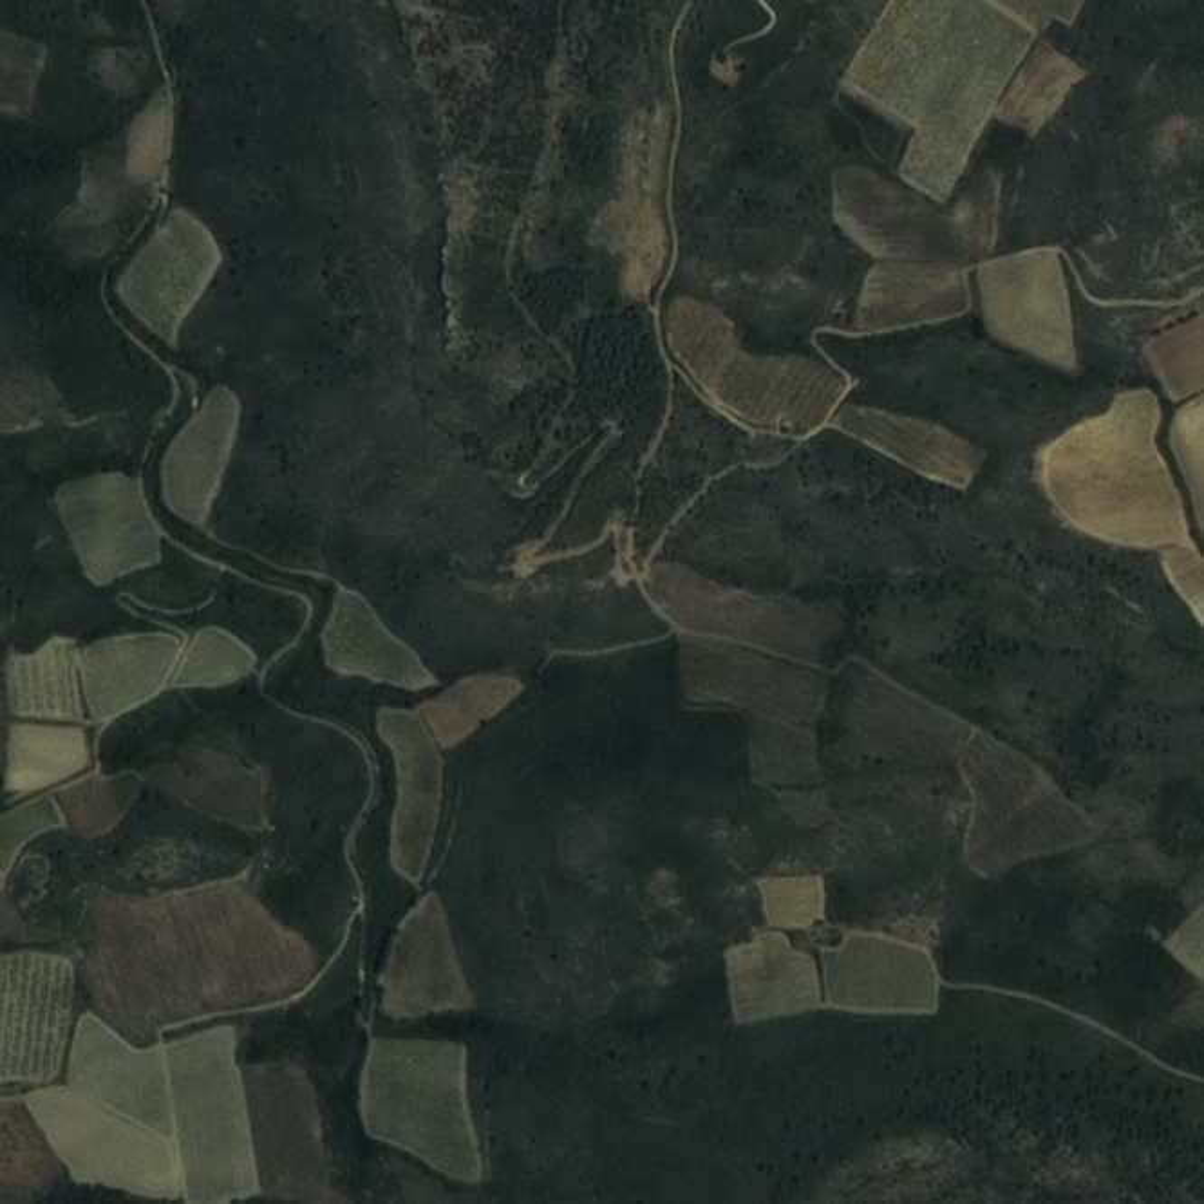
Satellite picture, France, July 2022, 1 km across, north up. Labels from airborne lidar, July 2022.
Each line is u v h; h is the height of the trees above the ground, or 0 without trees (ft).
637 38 20
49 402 0
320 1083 22
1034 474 0
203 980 0
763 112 0
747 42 0
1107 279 0
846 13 0
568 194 0
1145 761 0
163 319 0
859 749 0
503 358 0
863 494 18
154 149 0
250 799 0
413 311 0
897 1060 26
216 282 20
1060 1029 0
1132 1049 0
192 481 0
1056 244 0
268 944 0
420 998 0
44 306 35
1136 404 0
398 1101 0
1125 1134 30
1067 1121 23
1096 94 0
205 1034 0
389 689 18
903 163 0
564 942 0
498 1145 27
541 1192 20
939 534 0
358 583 31
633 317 40
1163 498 0
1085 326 0
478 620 0
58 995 0
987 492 0
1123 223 0
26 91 0
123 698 0
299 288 0
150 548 0
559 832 0
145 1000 0
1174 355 0
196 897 0
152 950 0
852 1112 0
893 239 0
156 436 19
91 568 0
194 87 30
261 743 24
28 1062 0
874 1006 0
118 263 26
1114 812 0
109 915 0
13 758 0
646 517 20
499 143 21
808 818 0
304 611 0
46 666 0
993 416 0
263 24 0
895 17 0
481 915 0
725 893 0
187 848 0
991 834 0
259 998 0
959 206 0
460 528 0
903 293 0
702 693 0
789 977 0
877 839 0
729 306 0
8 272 32
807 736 0
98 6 31
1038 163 0
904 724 0
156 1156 0
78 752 0
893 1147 0
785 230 0
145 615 20
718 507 21
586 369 46
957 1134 28
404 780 0
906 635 0
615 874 0
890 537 0
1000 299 0
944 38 0
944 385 0
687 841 0
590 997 0
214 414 0
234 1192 0
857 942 0
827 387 0
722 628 0
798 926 0
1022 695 0
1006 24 0
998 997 0
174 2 0
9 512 20
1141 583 23
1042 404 0
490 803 0
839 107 0
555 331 29
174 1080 0
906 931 0
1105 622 0
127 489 0
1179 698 0
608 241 0
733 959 0
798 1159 27
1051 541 0
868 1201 0
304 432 0
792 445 0
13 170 26
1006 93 0
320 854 21
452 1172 0
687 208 18
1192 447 0
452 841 0
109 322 29
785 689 0
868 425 0
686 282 0
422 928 0
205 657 0
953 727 0
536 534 21
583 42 23
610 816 0
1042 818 0
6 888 0
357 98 0
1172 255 0
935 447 0
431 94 0
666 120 0
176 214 0
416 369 0
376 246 0
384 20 0
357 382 0
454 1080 0
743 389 0
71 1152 0
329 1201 0
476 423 0
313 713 17
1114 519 0
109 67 0
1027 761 0
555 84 0
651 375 48
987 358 0
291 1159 0
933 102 0
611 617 0
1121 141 0
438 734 0
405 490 0
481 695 0
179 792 0
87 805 0
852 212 0
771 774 0
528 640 0
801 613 0
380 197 0
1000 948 30
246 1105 0
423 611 0
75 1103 0
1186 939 0
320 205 0
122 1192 17
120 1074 0
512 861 0
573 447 30
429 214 0
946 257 0
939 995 0
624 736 24
